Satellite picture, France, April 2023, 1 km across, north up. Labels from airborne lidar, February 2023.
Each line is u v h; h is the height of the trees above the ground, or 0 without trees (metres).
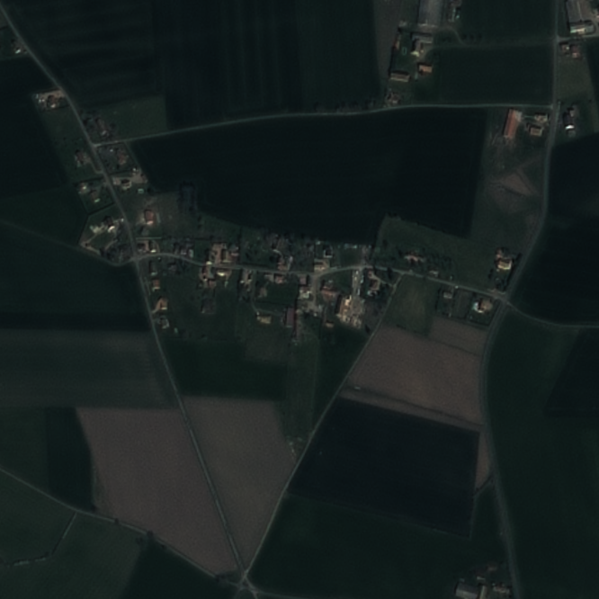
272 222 0
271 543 0
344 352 0
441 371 0
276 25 0
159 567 0
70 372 0
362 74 0
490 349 0
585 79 0
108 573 0
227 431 0
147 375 0
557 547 0
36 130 0
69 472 0
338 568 0
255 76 0
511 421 0
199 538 0
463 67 0
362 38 0
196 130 0
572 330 0
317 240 7
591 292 0
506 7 0
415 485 0
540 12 0
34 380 0
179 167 0
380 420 0
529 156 0
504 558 0
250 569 0
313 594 0
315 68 0
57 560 0
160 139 0
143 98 0
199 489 0
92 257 0
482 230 0
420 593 0
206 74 0
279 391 0
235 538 0
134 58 0
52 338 0
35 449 0
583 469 0
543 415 0
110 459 0
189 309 0
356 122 0
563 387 0
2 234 0
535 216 0
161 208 0
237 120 0
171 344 0
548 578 0
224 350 0
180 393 0
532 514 0
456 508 0
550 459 0
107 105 0
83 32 0
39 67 0
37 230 0
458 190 0
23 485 0
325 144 0
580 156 0
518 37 0
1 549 0
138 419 0
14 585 0
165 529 0
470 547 0
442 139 0
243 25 0
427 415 0
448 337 0
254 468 0
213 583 0
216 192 0
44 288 0
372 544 0
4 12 0
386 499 0
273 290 0
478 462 0
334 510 0
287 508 0
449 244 0
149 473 0
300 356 0
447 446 0
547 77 0
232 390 0
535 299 0
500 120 0
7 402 0
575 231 0
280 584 0
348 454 0
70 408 0
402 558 0
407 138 0
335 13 0
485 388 0
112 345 0
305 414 0
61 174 0
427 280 8
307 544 0
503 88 0
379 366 0
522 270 0
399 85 0
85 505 0
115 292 0
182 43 0
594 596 0
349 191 0
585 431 0
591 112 0
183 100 0
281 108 0
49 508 0
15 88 0
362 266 0
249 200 0
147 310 0
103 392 0
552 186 0
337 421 0
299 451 0
